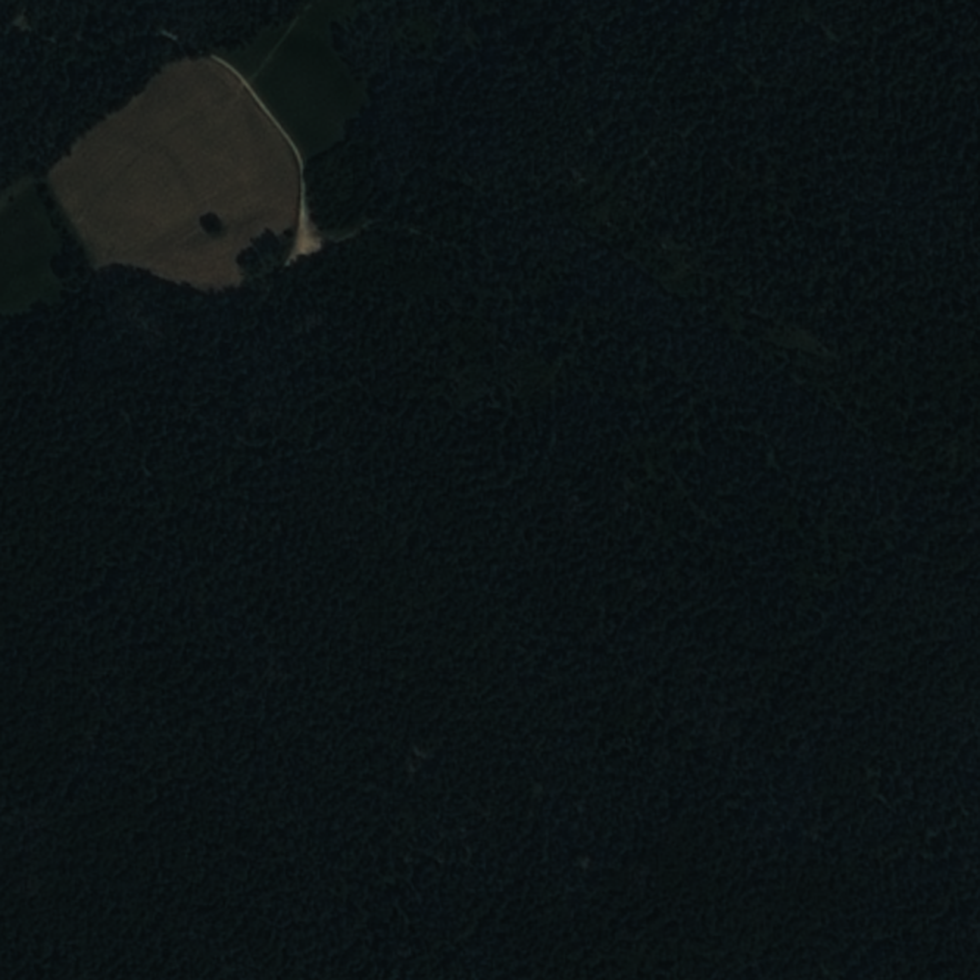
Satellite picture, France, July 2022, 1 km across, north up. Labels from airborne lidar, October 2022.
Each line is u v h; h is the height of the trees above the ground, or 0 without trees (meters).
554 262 10
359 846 13
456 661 21
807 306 20
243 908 18
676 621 17
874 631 22
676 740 18
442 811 14
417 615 18
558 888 19
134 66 10
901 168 13
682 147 12
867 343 6
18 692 20
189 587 17
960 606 19
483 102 26
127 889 19
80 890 23
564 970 21
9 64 21
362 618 18
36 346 22
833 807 16
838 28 25
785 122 18
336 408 20
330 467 22
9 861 21
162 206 0
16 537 19
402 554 23
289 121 0
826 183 9
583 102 23
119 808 19
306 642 18
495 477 24
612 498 18
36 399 23
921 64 19
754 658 18
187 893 22
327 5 0
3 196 0
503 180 19
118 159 0
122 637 24
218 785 29
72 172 0
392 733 24
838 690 23
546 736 19
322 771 14
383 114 24
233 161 0
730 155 11
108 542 21
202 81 0
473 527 18
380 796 17
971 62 15
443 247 12
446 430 19
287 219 0
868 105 20
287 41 0
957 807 20
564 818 24
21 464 23
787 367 8
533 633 11
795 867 17
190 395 23
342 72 0
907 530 14
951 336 11
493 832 20
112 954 22
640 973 19
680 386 18
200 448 16
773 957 21
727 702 16
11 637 22
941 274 10
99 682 19
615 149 16
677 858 16
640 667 21
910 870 20
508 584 19
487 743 17
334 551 24
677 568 6
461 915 17
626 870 23
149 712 18
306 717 18
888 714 17
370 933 8
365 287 10
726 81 13
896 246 10
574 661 16
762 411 23
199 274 0
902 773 21
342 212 8
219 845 21
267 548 21
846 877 15
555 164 18
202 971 17
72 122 23
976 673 22
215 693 23
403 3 19
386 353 19
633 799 16
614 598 21
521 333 21
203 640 17
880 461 16
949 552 19
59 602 20
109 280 24
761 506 8
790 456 19
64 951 20
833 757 15
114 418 24
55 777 20
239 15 18
